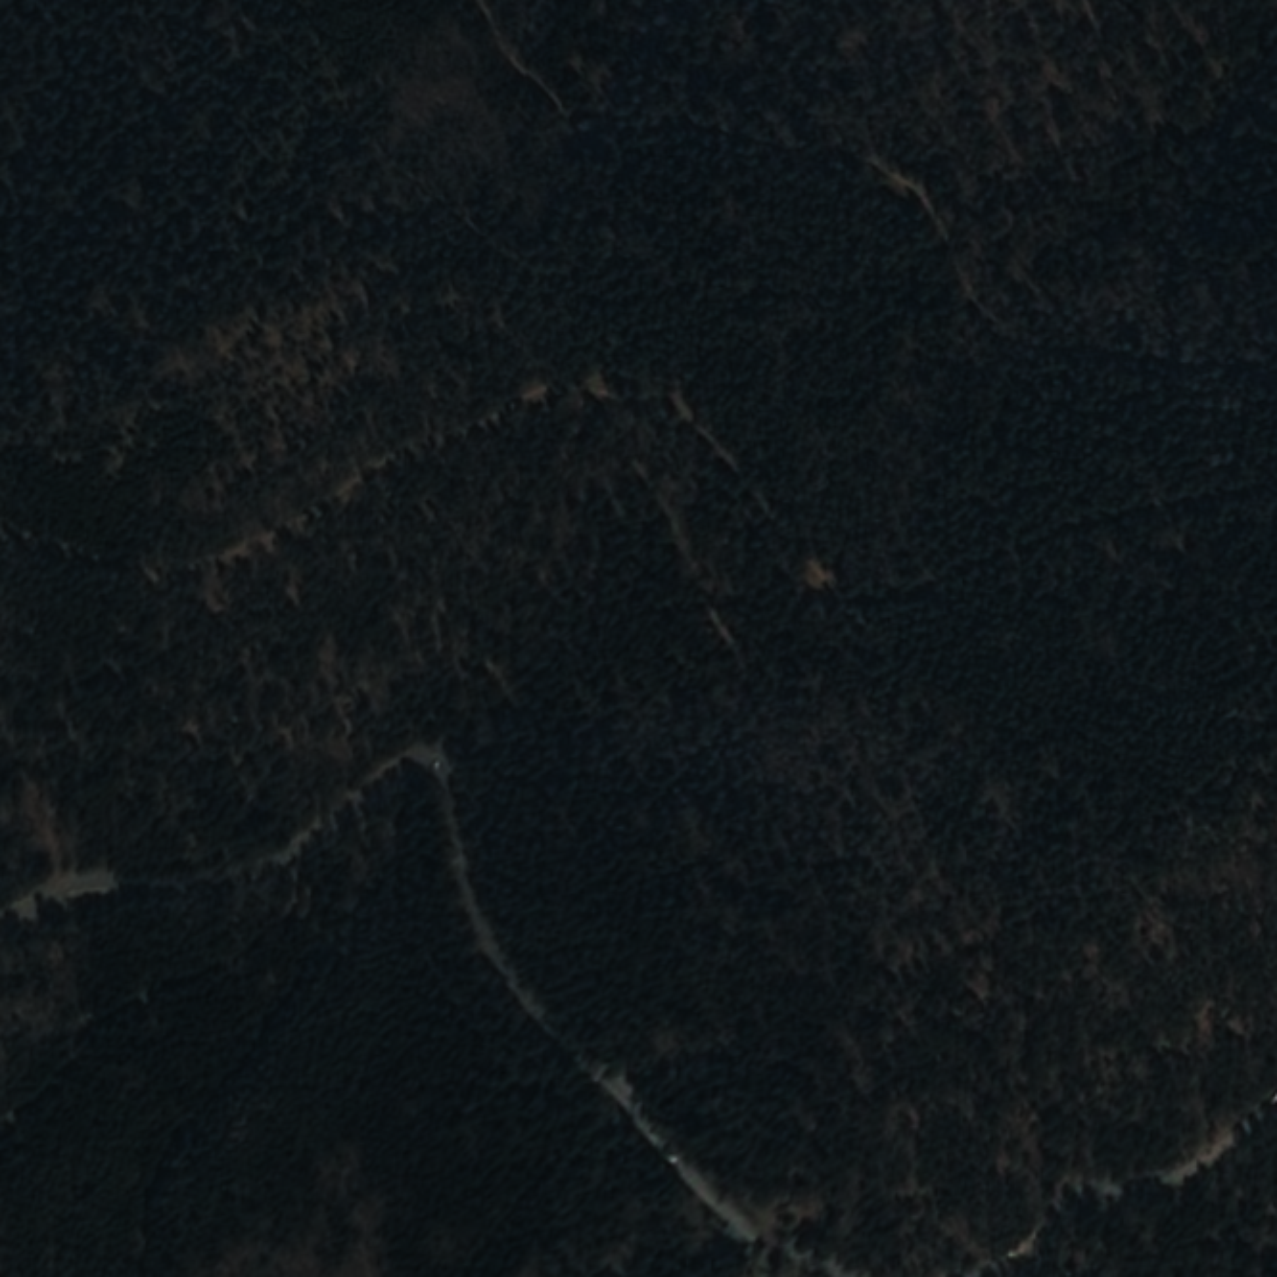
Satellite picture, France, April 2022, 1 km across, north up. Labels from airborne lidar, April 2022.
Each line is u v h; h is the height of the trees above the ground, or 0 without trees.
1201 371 25
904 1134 20
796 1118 14
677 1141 22
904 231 28
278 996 24
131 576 30
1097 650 15
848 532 22
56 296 24
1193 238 19
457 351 26
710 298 9
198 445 9
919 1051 26
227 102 12
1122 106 35
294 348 6
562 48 22
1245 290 38
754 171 27
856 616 13
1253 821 8
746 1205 8
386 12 15
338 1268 20
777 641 17
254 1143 25
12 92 28
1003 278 36
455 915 27
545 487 21
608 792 24
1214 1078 25
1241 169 26
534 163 22
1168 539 18
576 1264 21
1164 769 18
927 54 16
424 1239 24
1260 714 15
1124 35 37
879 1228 33
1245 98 12
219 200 26
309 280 19
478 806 32
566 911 21
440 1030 26
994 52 33
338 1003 22
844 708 18
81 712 23
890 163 22
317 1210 26
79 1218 26
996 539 25
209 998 23
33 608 25
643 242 20
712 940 16
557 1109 34
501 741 20
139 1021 24
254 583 15
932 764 19
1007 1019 37
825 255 30
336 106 9
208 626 22
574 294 21
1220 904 27
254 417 8
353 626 29
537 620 35
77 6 27
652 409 12
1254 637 19
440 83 17
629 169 13
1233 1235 23
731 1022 13
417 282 21
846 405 24
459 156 14
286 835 34
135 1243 24
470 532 25
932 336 29
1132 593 23
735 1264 14
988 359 17
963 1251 35
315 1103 24
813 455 24
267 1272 24
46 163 30
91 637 30
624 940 18
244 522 20
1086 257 23
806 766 18
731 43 29
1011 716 21
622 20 21
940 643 21
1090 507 22
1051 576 28
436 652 38
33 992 19
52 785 16
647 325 22
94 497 8
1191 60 18
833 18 31
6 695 33
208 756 16
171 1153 20
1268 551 22
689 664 13
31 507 15
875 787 10
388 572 30
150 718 25
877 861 21
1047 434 26
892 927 14
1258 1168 23
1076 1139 20
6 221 13
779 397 20
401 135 17
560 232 20
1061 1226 34
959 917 13
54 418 21
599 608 11
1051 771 12
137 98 23
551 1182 25
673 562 28
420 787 37
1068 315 31
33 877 36
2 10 20
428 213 10
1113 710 20
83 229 18
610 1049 30
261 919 22
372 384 26
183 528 19
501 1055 29
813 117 18
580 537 14
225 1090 22
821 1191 21
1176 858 21
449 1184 26
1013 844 18
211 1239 27
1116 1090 21
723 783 24
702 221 22
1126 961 22
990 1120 30
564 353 21
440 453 18
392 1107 26
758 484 23
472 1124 26
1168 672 18
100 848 26
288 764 34
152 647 23
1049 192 33
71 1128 23
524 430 14
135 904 25
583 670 16
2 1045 19
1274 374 14
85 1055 26
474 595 17
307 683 22
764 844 19
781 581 26
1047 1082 16
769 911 31
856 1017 18
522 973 19
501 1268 21
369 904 28
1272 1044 30
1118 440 22
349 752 16
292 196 16
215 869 13
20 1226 31
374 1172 29
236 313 28
